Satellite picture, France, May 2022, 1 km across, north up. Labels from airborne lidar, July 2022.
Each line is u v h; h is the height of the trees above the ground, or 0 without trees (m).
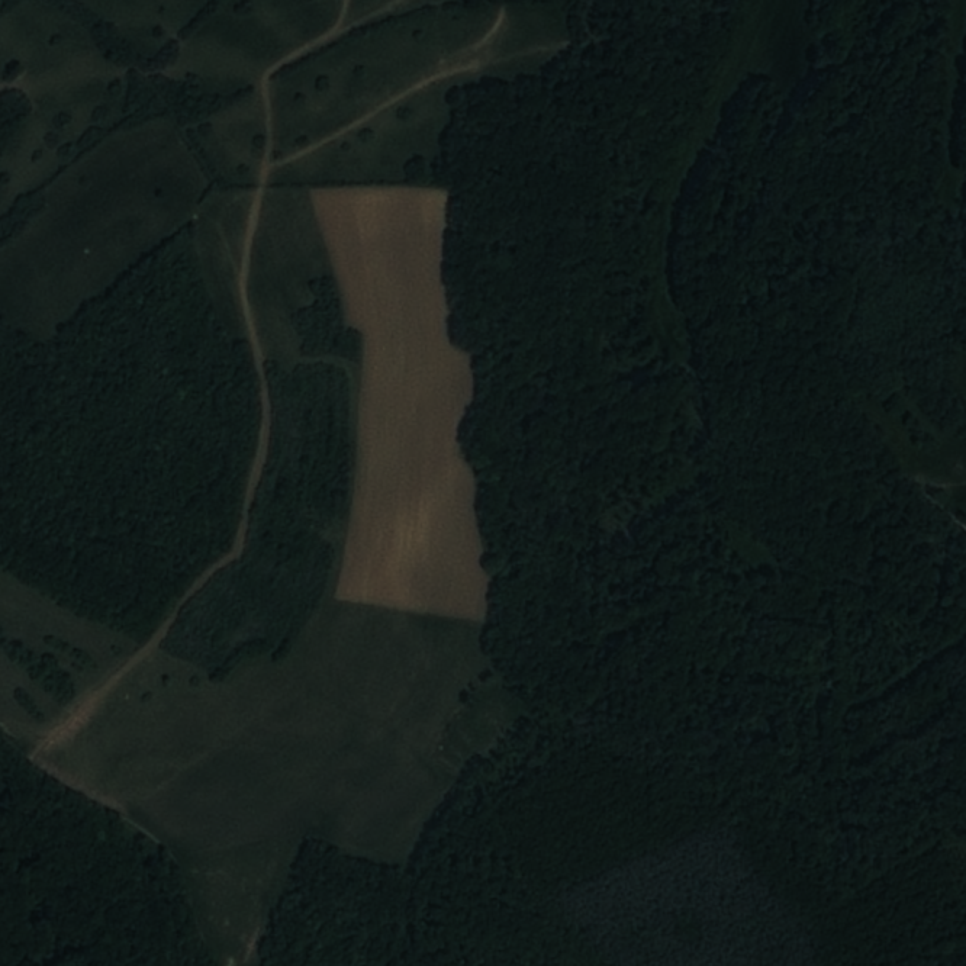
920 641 17
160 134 0
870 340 25
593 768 14
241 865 0
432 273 0
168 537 9
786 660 15
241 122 0
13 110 12
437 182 17
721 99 0
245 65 0
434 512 0
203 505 14
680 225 22
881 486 19
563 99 25
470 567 0
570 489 21
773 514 25
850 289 20
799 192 23
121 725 0
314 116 0
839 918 14
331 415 11
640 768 16
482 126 16
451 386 0
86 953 27
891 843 23
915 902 18
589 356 26
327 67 0
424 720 0
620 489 14
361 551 0
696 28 25
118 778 0
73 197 0
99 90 0
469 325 20
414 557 0
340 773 0
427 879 21
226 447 6
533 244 25
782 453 20
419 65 0
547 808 14
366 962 12
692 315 25
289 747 0
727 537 8
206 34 0
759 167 28
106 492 10
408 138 0
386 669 0
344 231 0
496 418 17
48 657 11
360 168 0
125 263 0
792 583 20
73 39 0
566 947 11
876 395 17
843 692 23
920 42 24
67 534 13
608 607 21
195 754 0
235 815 0
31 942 29
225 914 0
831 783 24
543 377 17
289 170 0
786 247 21
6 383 14
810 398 24
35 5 0
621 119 27
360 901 11
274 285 0
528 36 0
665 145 27
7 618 0
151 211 0
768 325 25
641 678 27
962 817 25
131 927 24
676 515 26
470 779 19
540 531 24
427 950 19
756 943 15
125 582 15
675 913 13
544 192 25
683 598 23
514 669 20
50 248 0
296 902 7
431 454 0
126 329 8
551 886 11
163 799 0
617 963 13
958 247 8
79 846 19
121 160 0
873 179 24
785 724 23
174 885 19
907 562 29
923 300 18
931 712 8
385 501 0
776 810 14
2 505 10
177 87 6
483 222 20
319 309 9
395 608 0
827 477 24
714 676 17
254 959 0
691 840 16
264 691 0
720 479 25
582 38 16
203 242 0
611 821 10
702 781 19
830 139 26
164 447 6
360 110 0
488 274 22
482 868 22
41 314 0
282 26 0
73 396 6
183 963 19
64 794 17
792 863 14
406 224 0
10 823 28
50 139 6
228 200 0
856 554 30
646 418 28
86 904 22
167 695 0
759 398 22
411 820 0
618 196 22
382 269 0
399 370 0
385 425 0
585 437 24
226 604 7
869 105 20
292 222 0
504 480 18
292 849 0
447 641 0
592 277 22
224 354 7
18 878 31
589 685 30
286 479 9
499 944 19
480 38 0
